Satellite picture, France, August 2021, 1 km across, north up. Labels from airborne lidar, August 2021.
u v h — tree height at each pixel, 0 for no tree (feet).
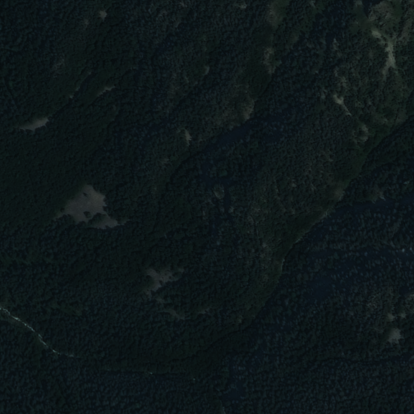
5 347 117
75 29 54
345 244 96
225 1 73
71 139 98
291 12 49
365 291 61
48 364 77
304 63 41
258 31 34
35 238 98
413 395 95
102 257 104
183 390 68
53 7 113
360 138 23
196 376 57
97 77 101
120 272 78
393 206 37
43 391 71
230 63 44
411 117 36
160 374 24
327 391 62
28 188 113
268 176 79
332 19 94
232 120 18
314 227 51
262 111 50
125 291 79
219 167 53
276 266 62
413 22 20
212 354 78
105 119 95
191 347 86
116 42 106
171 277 33
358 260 93
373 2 40
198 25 49
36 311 89
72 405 58
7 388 38
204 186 42
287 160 76
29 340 72
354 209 26
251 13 42
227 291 87
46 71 63
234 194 47
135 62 61
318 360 73
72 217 46
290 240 60
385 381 79
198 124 78
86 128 109
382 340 59
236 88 66
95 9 74
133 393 70
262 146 59
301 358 30
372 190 97
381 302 71
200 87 78
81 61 83
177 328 88
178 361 69
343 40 29
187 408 69
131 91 76
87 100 89
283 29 29
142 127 89
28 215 99
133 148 97
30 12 89
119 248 86
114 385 72
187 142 41
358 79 21
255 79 39
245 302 80
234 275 83
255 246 55
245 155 52
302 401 91
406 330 40
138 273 58
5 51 87
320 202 33
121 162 77
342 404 65
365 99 47
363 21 0
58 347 67
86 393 83
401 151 37
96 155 84
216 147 83
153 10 50
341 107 55
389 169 34
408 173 60
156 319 85
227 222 43
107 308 71
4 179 107
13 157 87
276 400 77
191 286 75
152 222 88
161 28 53
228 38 35
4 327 81
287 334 53
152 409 85
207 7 68
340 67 53
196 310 79
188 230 98
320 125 32
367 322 59
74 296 59
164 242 75
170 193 114
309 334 102
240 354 56
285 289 115
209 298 74
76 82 64
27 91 100
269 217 62
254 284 90
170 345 107
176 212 97
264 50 22
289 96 57
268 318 115
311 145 47
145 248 75
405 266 59
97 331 111
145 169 53
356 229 74
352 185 22
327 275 54
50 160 118
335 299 67
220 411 51
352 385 69
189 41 49
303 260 72
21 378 94
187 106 81
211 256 46
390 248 44
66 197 81
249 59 18
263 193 55
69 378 101
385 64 63
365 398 77
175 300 91
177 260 80
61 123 92
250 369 64
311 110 77
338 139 99
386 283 79
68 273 83
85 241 102
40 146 109
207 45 89
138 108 99
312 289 84
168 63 45
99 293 34
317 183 82
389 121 20
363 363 33
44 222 98
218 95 72
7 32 105
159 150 51
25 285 110
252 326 63
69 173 94
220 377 67
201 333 92
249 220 23
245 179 50
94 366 43
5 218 92
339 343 68
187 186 72
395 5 41
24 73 102
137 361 80
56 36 70
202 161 47
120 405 99
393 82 46
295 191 52
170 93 29
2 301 53
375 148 29
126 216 60
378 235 51
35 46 101
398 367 96
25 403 90
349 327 81
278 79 86
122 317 101
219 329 116
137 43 61
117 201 88
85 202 0
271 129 94
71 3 74
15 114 90
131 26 84
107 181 109
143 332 103
